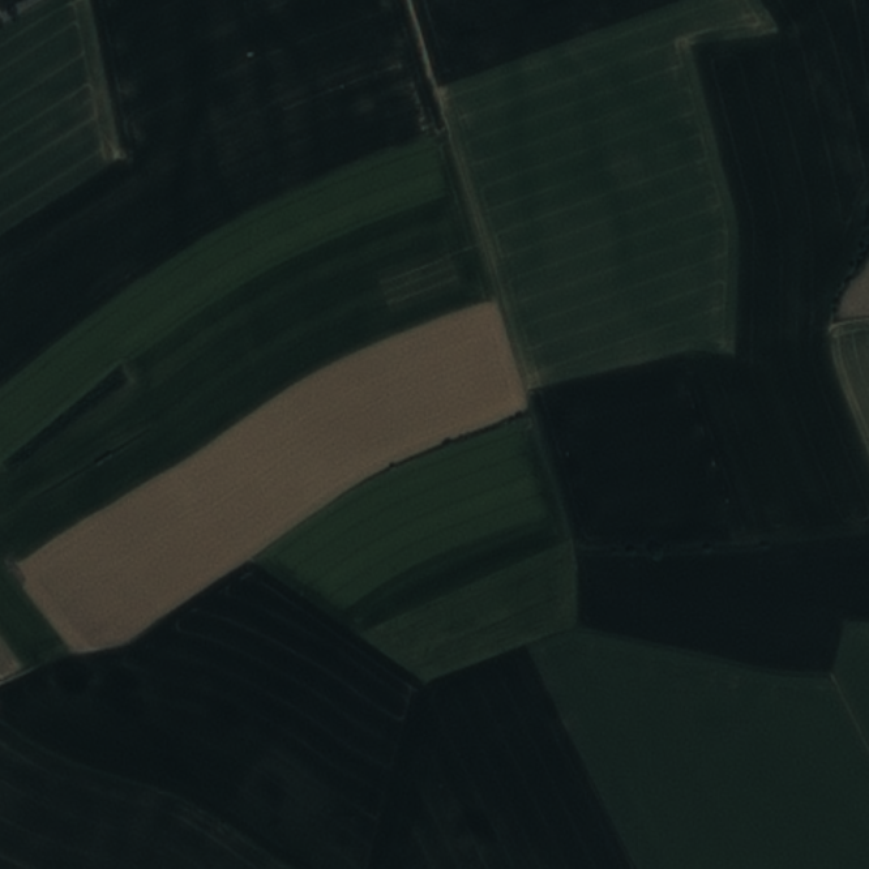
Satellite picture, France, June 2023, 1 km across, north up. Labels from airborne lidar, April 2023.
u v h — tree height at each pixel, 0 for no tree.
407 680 0
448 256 0
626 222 0
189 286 0
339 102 0
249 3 0
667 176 0
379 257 0
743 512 0
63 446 0
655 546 14
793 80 0
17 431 0
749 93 0
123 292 0
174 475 0
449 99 0
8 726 0
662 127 0
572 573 0
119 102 0
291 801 0
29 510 0
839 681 0
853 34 0
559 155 0
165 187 0
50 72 0
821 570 0
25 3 0
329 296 0
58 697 0
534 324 0
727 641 0
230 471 0
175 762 0
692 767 0
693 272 0
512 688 0
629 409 0
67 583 0
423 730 0
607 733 0
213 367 0
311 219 0
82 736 0
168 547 0
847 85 0
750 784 0
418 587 0
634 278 0
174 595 0
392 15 0
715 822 0
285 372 0
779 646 0
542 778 0
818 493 0
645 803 0
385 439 0
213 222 0
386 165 0
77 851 0
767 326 0
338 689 0
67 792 0
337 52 0
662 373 0
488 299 0
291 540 0
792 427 0
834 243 0
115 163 0
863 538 0
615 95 0
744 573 0
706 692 0
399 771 0
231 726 0
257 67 0
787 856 0
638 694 0
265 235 0
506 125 0
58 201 0
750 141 0
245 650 0
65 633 0
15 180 0
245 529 0
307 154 0
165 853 0
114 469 0
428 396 0
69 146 0
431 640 0
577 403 0
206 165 0
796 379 0
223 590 0
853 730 0
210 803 0
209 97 0
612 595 0
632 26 0
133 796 0
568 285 0
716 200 0
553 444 0
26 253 0
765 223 0
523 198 0
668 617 0
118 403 0
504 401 0
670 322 0
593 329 0
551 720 0
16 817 0
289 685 0
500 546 0
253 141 0
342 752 0
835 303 6
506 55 0
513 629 0
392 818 0
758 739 0
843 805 0
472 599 0
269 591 0
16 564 0
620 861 0
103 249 0
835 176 0
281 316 0
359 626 0
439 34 0
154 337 0
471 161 0
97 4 0
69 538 0
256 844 0
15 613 0
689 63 0
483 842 0
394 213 0
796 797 0
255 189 0
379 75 0
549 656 0
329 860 0
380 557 0
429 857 0
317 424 0
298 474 0
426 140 0
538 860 0
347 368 0
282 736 0
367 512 0
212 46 0
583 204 0
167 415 0
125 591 0
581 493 0
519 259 0
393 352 0
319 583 0
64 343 0
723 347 0
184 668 0
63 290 0
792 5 0
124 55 0
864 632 0
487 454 0
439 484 0
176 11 0
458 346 0
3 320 0
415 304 0
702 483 0
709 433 0
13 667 0
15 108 0
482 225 0
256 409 0
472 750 0
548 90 0
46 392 0
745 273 0
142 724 0
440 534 0
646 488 0
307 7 0
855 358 0
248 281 0
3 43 0
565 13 0
